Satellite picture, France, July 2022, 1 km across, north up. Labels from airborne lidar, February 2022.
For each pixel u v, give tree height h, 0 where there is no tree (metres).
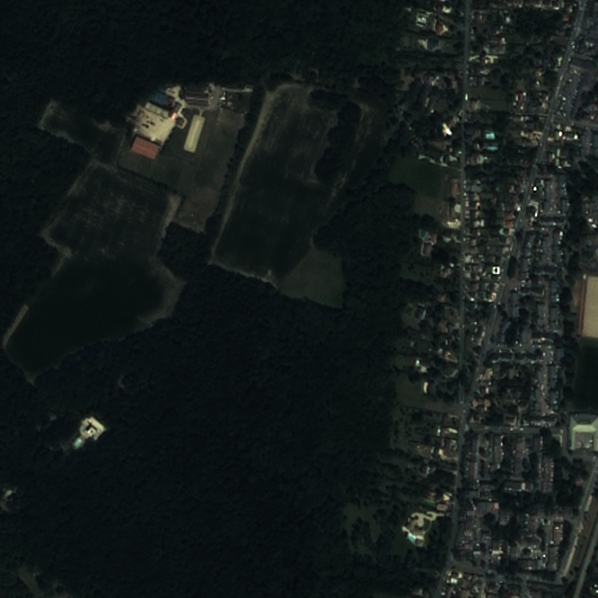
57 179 19
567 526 9
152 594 22
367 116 0
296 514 22
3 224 22
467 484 8
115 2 16
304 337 27
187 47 31
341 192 0
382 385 16
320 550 26
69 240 0
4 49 16
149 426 25
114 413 25
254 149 0
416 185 0
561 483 9
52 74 19
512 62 6
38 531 28
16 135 20
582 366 0
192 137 0
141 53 25
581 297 0
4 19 30
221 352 22
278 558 24
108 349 24
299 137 0
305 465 29
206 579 28
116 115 23
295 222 0
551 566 0
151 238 0
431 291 18
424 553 21
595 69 0
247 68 25
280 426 30
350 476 30
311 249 0
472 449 0
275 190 0
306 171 0
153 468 26
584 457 0
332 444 28
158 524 27
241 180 0
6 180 19
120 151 0
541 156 0
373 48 15
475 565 12
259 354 23
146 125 0
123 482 30
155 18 26
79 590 20
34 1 27
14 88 12
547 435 22
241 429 21
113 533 23
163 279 0
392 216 23
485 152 6
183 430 18
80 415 21
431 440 9
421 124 11
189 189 0
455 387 8
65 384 26
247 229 0
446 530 20
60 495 25
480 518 0
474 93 0
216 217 15
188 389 17
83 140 0
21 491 25
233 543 20
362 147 0
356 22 23
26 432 30
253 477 29
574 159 22
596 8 0
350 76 14
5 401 24
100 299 0
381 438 20
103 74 26
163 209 0
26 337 0
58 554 27
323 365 28
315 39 18
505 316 18
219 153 0
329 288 0
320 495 27
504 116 12
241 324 19
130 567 25
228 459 18
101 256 0
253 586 18
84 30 17
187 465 23
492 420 12
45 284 0
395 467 8
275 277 0
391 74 20
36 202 19
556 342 17
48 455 27
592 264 0
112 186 0
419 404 0
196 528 25
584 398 0
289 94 0
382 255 28
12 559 19
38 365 0
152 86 24
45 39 22
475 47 7
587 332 0
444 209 0
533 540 0
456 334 13
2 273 25
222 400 24
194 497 26
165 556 24
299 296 0
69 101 19
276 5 25
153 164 0
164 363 24
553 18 7
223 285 19
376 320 22
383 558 19
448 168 0
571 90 0
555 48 10
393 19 17
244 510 19
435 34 11
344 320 29
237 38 27
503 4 9
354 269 20
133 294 0
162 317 0
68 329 0
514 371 0
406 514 6
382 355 21
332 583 27
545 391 0
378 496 14
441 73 14
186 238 20
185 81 17
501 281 0
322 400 27
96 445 23
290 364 17
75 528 27
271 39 24
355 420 24
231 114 0
